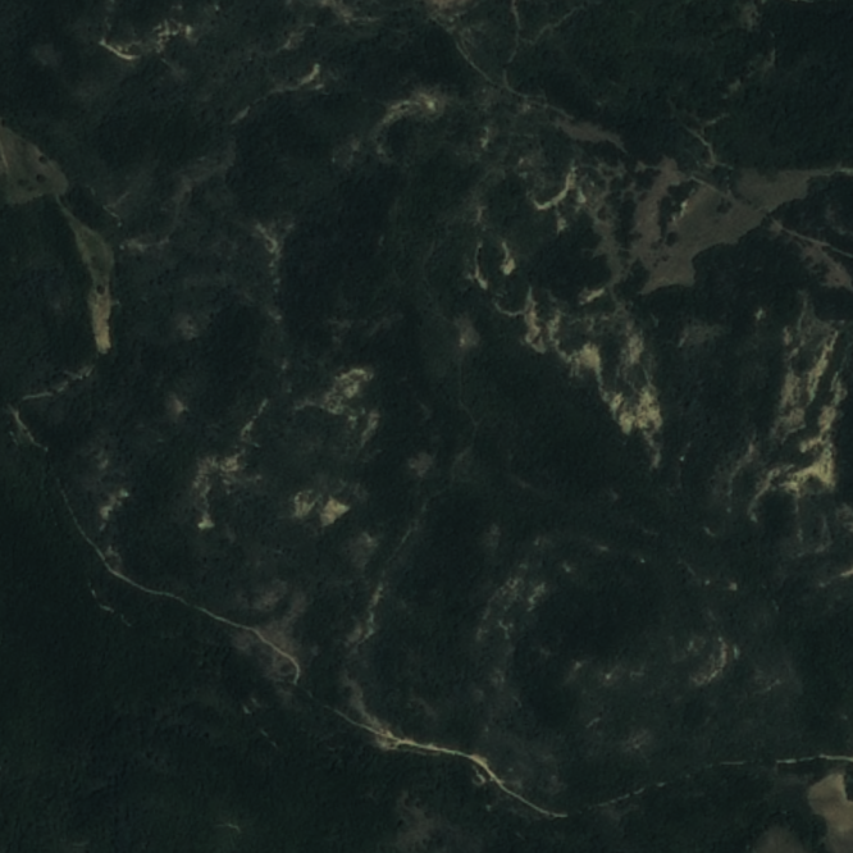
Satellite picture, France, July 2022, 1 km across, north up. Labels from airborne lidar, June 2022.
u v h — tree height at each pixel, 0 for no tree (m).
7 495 14
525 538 6
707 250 6
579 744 6
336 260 7
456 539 9
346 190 8
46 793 8
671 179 0
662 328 11
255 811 9
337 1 0
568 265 8
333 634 7
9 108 8
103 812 12
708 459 6
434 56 7
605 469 10
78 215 11
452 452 7
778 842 0
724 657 0
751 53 9
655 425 0
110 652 12
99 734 13
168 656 10
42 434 8
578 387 6
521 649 7
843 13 17
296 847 13
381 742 0
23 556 17
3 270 6
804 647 9
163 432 7
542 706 11
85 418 7
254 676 6
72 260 12
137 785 9
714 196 0
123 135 7
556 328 0
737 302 6
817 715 6
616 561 5
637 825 12
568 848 9
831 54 9
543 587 0
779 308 9
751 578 10
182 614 11
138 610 10
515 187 7
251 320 8
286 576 6
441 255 8
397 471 9
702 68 10
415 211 8
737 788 10
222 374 8
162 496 8
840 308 7
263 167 7
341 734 6
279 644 0
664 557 8
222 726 11
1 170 0
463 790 9
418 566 6
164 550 8
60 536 14
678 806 9
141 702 7
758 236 8
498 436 8
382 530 7
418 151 7
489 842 7
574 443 11
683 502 5
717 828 6
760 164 7
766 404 9
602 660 6
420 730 8
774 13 10
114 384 8
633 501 8
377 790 6
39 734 9
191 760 10
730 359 5
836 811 0
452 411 10
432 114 0
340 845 11
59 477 7
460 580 8
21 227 12
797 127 12
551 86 9
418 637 8
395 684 8
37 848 10
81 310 6
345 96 9
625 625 11
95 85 0
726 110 8
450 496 9
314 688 5
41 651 12
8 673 11
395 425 7
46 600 18
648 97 11
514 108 7
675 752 8
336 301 8
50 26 7
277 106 6
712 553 6
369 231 6
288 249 7
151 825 9
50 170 0
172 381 9
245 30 5
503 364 8
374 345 6
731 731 5
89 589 12
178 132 10
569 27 12
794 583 6
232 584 8
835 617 6
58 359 8
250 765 12
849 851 0
